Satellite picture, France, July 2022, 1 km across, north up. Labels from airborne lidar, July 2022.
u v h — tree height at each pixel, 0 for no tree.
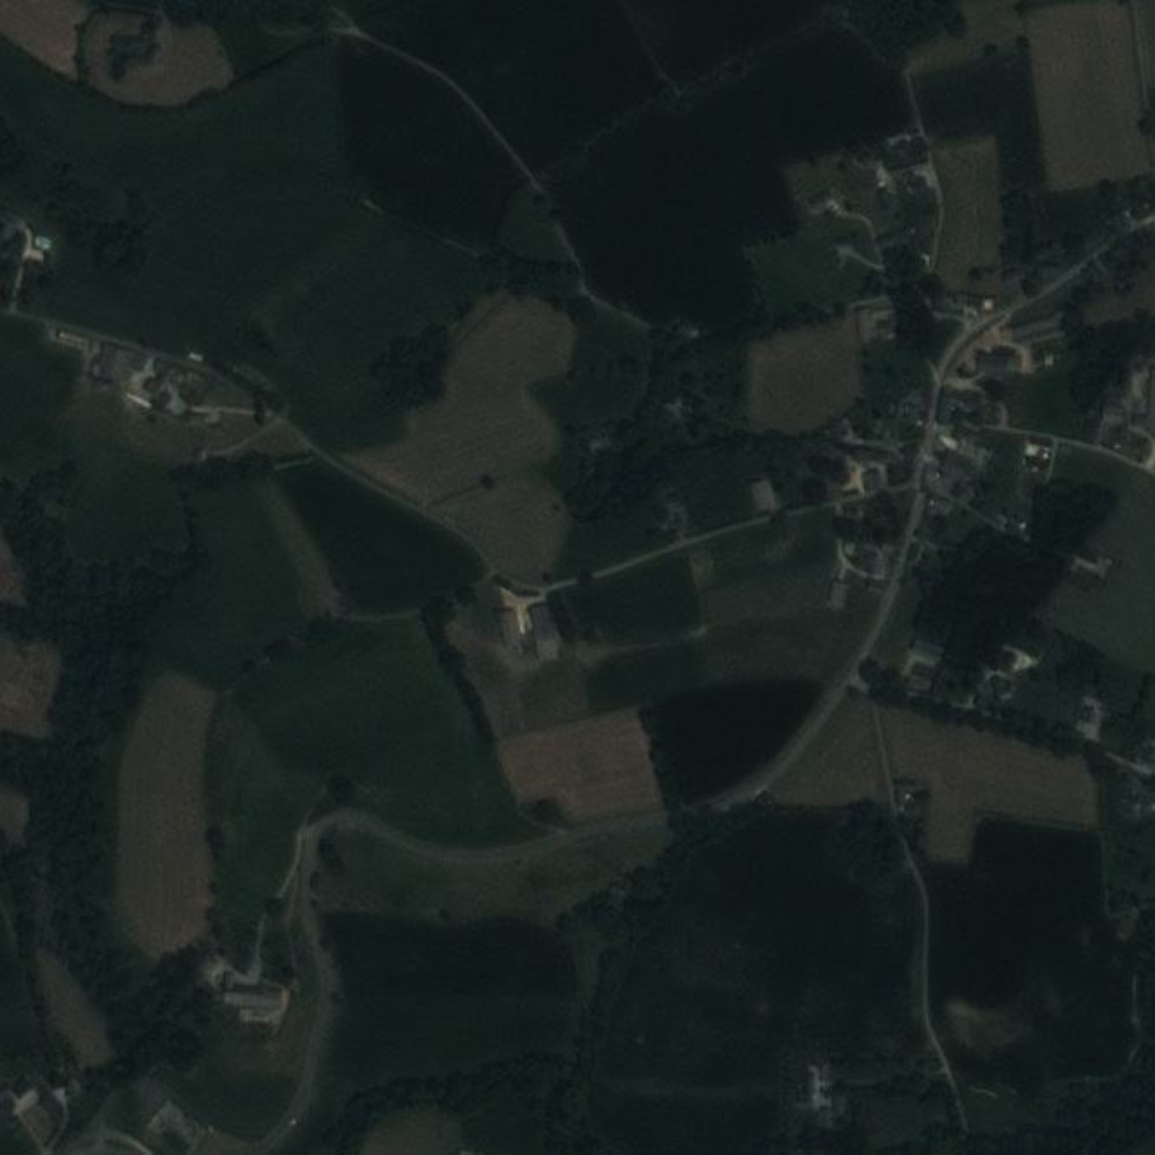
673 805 17
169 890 0
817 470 19
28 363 0
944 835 0
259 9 16
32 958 17
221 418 0
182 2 15
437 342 22
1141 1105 30
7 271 20
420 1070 0
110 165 0
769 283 0
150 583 23
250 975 0
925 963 0
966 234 0
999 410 0
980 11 0
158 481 0
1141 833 6
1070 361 0
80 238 18
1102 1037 0
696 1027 0
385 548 0
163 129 0
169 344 0
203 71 0
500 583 8
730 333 7
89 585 18
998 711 13
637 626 0
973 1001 0
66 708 20
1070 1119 16
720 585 0
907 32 15
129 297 0
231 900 0
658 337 12
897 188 0
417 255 0
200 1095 0
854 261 0
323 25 15
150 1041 23
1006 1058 0
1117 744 0
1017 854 0
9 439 0
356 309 0
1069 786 0
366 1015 0
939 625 24
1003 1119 0
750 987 0
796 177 0
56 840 17
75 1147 0
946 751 0
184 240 0
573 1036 0
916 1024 0
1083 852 0
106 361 0
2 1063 0
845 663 0
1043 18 0
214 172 0
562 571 0
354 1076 0
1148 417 0
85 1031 0
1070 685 14
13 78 0
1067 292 0
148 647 16
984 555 19
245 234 0
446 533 0
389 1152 0
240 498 0
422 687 0
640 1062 0
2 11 0
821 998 0
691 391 12
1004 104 0
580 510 19
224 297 0
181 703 0
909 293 17
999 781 0
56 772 32
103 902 0
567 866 0
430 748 0
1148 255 11
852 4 17
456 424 0
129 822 0
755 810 12
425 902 0
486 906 0
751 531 0
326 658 0
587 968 0
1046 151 0
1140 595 0
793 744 0
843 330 0
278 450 0
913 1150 13
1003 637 19
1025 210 16
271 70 13
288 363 0
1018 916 0
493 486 9
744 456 17
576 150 12
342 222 0
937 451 0
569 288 0
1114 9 0
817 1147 16
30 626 20
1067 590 0
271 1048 0
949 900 0
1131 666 0
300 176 0
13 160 12
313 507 0
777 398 0
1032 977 0
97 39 0
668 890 17
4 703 0
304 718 0
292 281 0
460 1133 0
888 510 13
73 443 0
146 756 0
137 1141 0
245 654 0
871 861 19
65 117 0
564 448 0
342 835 0
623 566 0
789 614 0
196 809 0
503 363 0
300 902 0
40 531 33
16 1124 9
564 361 0
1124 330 20
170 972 21
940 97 0
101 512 0
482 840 0
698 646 0
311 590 0
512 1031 0
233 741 0
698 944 0
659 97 12
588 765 0
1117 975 0
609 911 19
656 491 23
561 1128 23
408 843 0
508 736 0
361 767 0
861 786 0
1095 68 0
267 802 0
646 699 0
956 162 0
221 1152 0
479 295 0
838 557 0
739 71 10
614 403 0
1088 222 0
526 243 0
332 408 0
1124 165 0
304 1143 0
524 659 0
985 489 13
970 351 0
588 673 0
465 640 0
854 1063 9
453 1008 0
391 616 0
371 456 0
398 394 28
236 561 0
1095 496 24
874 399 0
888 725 0
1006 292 0
